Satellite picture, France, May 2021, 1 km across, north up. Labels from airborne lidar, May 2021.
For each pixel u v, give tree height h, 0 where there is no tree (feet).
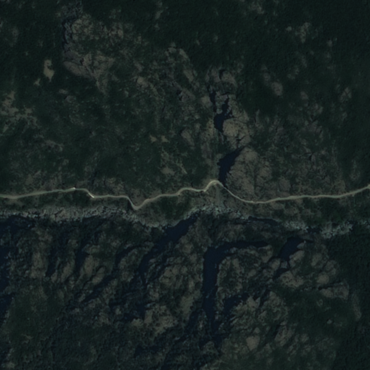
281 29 46
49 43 31
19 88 21
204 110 25
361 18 47
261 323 19
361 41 45
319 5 47
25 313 24
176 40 58
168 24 28
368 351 26
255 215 19
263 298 39
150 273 21
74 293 43
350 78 18
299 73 19
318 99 26
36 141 30
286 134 33
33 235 21
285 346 26
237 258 25
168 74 21
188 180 18
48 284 22
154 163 18
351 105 33
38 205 24
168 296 39
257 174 28
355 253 36
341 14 51
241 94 50
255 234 18
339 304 29
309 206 26
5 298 36
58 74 20
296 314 34
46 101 18
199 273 24
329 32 48
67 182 21
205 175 18
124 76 19
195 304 34
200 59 47
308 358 24
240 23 26
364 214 33
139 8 42
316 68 21
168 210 32
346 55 39
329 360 20
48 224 75
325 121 24
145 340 42
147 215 22
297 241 27
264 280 17
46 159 21
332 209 35
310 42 53
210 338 45
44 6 23
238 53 26
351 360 25
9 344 30
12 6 21
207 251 26
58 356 31
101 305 24
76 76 33
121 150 18
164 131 19
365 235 40
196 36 23
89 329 37
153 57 20
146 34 43
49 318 33
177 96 22
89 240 34
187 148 30
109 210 0
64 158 21
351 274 32
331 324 22
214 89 28
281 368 21
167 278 34
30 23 22
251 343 0
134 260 21
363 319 53
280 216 42
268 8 50
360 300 23
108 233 23
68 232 26
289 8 52
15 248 24
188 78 25
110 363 23
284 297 24
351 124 22
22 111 17
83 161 20
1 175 25
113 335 38
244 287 25
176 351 26
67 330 36
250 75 31
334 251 28
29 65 31
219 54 28
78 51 27
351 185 30
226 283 21
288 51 39
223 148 20
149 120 18
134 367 18
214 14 39
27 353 24
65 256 39
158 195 0
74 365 23
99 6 45
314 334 20
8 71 22
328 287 66
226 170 53
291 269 20
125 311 23
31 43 31
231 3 26
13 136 22
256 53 44
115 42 20
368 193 48
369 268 42
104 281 27
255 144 26
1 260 27
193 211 0
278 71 22
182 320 39
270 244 41
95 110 22
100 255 24
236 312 30
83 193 31
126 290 36
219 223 26
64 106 20
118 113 23
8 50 27
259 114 22
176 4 44
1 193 32
